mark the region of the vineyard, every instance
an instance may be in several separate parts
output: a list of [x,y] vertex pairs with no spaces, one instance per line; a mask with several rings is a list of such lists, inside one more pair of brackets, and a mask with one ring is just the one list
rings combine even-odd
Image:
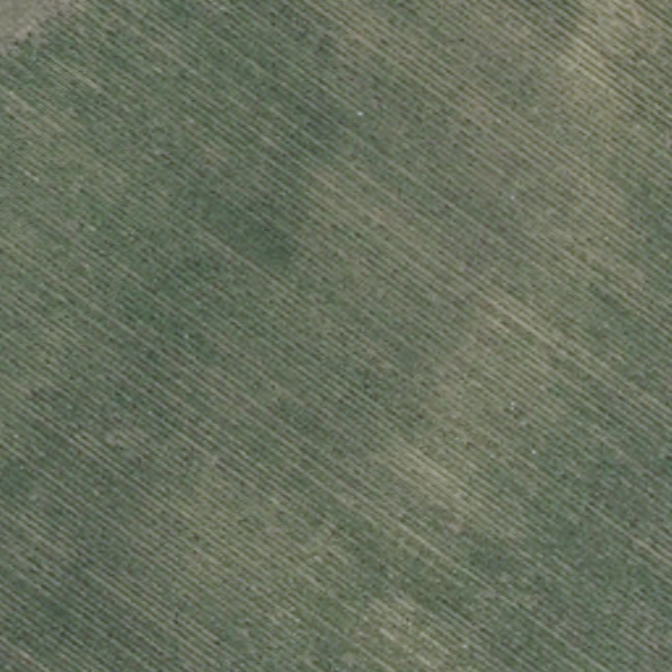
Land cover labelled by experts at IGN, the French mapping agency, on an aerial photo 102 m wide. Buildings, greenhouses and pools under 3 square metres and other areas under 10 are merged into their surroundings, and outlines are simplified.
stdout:
[[672,672],[672,0],[0,0],[0,672]]

